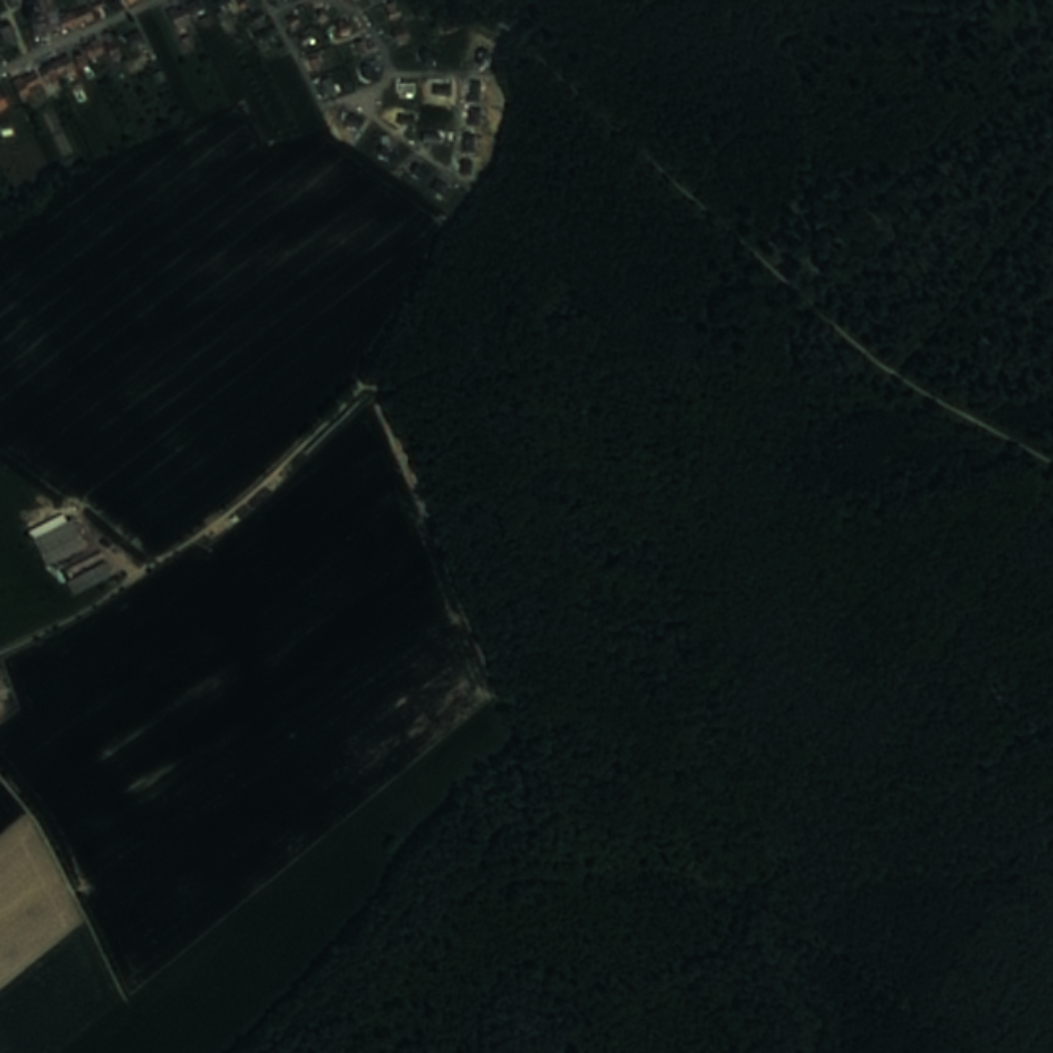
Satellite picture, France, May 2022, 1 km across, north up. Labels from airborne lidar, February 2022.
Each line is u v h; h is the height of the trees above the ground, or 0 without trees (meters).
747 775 22
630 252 15
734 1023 13
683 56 16
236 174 0
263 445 0
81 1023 0
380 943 19
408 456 11
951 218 28
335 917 0
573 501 12
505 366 16
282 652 0
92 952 0
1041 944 21
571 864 24
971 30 19
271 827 0
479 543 18
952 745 18
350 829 0
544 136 16
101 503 0
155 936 0
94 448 0
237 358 0
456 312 14
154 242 0
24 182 0
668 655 21
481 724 0
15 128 0
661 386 21
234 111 0
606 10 15
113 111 0
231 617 0
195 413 0
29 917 0
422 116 0
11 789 0
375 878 0
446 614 0
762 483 17
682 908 10
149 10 0
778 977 24
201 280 0
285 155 0
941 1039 11
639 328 16
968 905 16
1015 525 19
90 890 0
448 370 14
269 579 0
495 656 15
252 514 0
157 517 0
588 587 20
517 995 19
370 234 0
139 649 0
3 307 0
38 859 0
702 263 14
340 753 0
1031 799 16
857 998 6
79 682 0
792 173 13
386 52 0
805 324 29
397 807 0
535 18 28
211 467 0
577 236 15
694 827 21
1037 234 30
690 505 21
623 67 10
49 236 0
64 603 0
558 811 28
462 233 14
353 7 0
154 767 0
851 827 17
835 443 17
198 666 0
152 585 0
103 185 0
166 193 0
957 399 15
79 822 0
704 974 20
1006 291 32
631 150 14
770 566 17
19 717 0
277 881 0
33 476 0
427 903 22
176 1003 0
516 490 21
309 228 0
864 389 17
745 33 16
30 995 0
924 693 15
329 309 0
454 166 0
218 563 0
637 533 21
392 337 12
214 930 0
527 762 28
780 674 16
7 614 0
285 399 0
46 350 0
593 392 19
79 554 0
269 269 0
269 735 0
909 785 19
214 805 0
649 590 22
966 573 19
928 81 11
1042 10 32
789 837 23
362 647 0
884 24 16
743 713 22
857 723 19
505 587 19
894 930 16
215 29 0
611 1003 6
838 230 32
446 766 0
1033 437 18
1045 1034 21
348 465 0
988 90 10
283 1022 17
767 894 23
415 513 0
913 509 19
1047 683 19
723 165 16
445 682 0
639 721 24
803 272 33
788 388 18
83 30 0
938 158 30
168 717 0
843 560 18
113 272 0
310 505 0
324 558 0
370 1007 16
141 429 0
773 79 15
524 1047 18
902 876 16
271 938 0
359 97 0
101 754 0
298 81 0
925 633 17
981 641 18
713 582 16
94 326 0
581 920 6
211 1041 0
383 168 0
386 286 0
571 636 20
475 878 20
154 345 0
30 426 0
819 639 16
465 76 0
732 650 19
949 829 21
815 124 13
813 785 17
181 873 0
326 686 0
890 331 31
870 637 17
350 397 12
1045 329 33
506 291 15
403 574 0
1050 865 16
